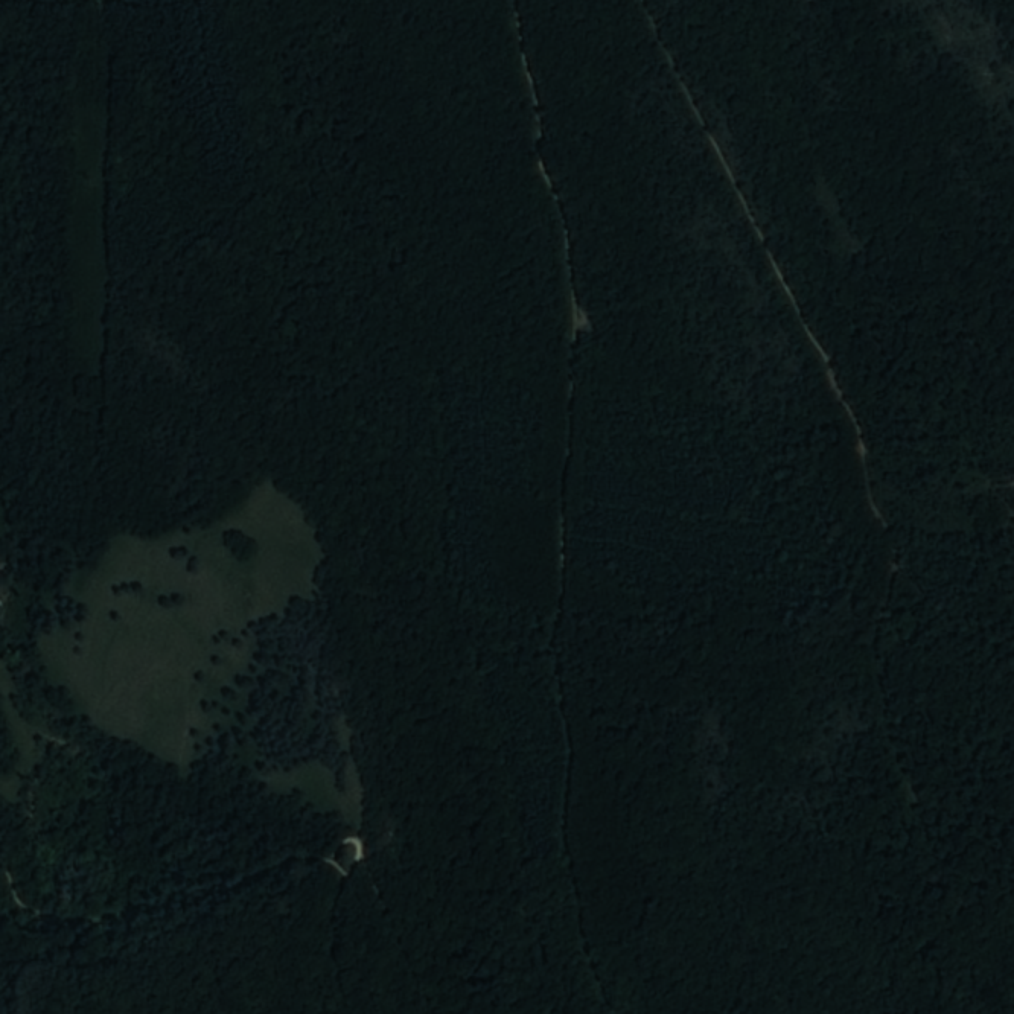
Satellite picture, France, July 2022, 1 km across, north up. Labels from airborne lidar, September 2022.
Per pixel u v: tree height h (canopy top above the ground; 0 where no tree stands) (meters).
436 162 16
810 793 12
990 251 15
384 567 24
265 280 30
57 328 21
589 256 17
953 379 19
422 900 27
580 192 18
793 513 9
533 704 13
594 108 17
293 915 8
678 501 12
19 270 20
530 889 26
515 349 20
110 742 9
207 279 15
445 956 22
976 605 11
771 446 8
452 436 17
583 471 10
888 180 17
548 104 15
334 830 11
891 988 17
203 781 14
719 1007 16
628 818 17
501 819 20
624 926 13
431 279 16
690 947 20
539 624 16
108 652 0
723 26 13
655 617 20
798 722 14
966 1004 24
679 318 15
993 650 12
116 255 13
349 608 18
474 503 16
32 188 16
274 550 0
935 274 18
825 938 17
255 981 18
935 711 19
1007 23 14
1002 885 21
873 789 18
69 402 15
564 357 13
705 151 7
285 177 25
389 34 18
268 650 17
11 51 18
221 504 18
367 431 25
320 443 24
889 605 7
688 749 15
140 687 0
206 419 16
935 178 18
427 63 17
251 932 11
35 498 16
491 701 11
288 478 20
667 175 12
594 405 9
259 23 22
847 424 15
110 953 19
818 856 19
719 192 11
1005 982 21
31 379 24
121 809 14
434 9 15
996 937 21
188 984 13
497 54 15
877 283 14
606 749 16
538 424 14
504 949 33
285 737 18
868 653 17
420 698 18
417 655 25
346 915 19
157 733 0
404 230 20
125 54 18
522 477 12
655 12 10
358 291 24
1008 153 12
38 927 13
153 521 14
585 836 13
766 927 22
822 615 21
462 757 24
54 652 0
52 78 21
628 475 13
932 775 16
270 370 25
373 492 23
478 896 26
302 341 26
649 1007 20
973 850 21
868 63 20
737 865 14
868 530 14
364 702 15
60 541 16
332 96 25
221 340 12
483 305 16
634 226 17
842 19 25
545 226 18
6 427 22
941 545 9
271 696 11
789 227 13
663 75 12
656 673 15
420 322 21
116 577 0
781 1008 18
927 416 16
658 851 20
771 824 12
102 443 17
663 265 12
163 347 9
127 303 15
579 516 12
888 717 15
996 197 15
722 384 11
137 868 8
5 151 21
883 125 18
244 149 23
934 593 10
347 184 19
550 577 13
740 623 12
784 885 12
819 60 11
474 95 18
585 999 19
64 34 17
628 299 19
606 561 10
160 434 10
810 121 15
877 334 16
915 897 20
